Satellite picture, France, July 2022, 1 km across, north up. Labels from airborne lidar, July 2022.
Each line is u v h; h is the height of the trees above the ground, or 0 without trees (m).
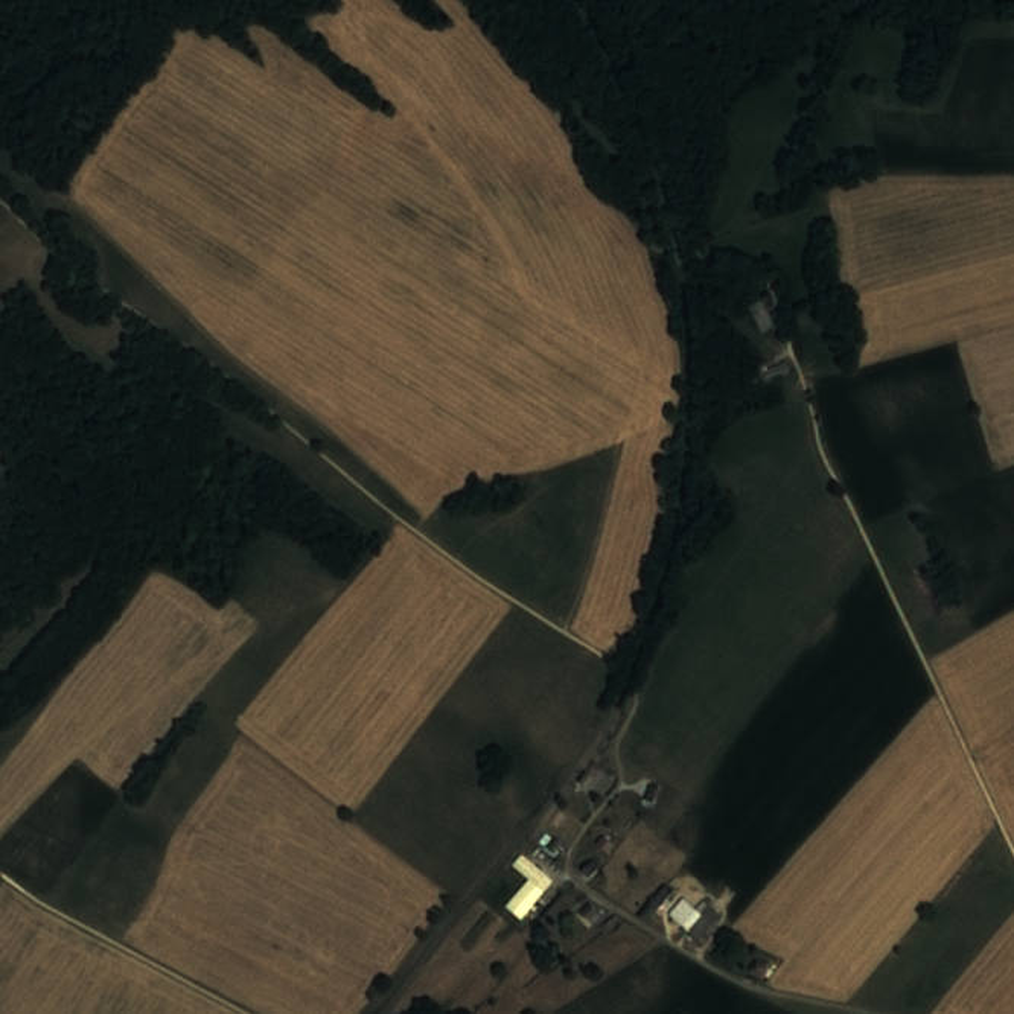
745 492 0
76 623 19
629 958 0
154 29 28
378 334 0
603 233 0
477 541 0
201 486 24
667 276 24
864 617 0
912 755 0
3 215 0
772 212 14
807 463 0
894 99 0
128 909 0
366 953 0
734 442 0
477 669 0
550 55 30
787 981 0
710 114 30
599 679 0
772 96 0
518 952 0
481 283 0
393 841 0
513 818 0
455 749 0
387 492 0
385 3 0
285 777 0
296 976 0
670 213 24
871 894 0
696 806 0
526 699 0
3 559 15
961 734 0
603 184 22
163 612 0
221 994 0
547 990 0
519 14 26
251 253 0
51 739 0
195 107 0
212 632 0
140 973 0
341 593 0
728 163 17
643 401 0
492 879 0
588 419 0
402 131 0
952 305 0
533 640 0
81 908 0
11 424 13
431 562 0
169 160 0
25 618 15
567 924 13
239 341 0
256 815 0
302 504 19
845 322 19
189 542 22
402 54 0
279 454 0
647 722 0
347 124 0
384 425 0
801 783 0
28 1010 0
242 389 15
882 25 22
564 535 0
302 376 0
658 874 0
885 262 0
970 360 0
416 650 0
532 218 0
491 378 0
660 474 15
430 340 0
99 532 16
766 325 0
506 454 0
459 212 0
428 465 0
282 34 22
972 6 26
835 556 0
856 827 0
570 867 0
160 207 0
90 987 0
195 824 0
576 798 0
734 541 0
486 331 0
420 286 0
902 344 0
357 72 18
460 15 0
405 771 0
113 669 0
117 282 0
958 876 0
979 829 0
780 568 0
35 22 23
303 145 0
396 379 0
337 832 0
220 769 0
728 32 31
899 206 0
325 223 0
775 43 26
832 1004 0
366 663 0
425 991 0
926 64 28
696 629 0
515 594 0
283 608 0
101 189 0
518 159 0
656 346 0
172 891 0
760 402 8
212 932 0
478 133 0
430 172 0
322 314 0
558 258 0
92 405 27
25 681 20
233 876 0
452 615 0
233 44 20
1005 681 0
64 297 16
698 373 22
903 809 0
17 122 24
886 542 0
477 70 0
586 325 0
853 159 25
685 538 23
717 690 0
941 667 0
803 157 25
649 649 24
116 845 0
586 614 0
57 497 19
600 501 0
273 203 0
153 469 27
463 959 0
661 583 12
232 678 0
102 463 28
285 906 0
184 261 0
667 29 27
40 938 0
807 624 0
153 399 26
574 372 0
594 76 31
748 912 0
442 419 0
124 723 0
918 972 0
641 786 0
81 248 12
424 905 0
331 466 0
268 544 0
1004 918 0
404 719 0
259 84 0
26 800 0
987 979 0
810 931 0
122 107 21
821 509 0
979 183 0
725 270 18
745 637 0
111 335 0
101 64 19
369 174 0
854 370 12
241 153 0
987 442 0
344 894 0
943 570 16
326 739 0
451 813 0
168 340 18
